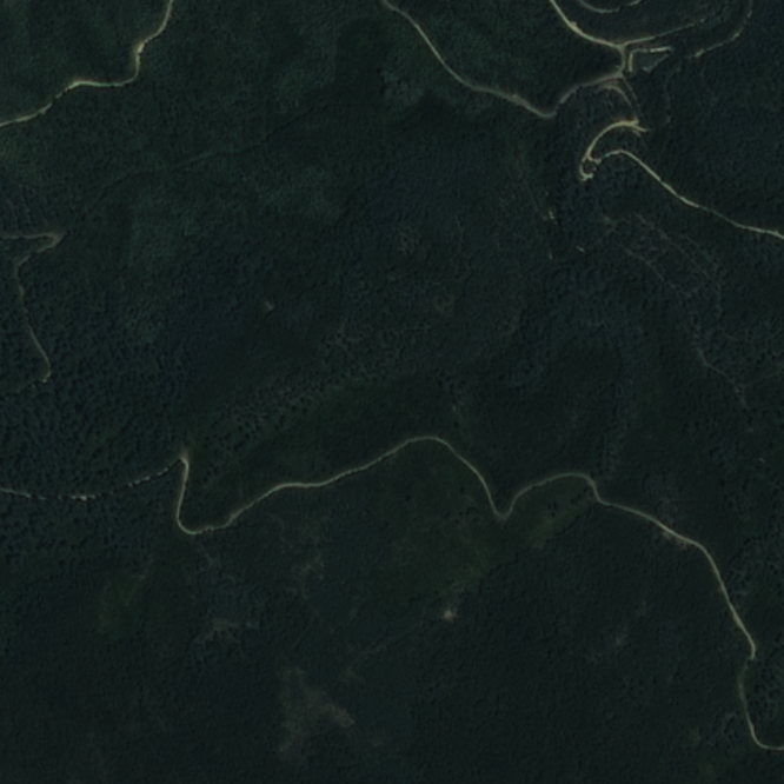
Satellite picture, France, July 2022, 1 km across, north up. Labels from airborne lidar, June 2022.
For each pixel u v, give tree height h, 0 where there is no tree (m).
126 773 9
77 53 12
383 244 9
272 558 6
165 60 8
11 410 23
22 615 13
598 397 7
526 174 8
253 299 10
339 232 11
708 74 11
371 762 7
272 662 14
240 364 14
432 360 19
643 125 10
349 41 9
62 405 25
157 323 12
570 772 10
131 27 7
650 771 11
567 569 9
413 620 7
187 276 15
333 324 9
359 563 7
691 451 6
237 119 8
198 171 12
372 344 11
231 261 9
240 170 9
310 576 6
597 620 11
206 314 15
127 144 7
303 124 14
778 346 15
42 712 7
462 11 10
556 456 6
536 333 15
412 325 14
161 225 7
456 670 12
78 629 10
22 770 6
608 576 10
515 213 10
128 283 8
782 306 12
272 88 8
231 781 12
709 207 10
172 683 7
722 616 10
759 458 10
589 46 11
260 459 6
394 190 14
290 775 7
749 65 9
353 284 13
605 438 12
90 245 9
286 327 14
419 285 14
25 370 21
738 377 12
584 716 16
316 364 13
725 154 15
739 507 14
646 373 17
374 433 6
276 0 9
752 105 7
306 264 14
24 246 11
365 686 6
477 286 14
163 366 18
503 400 6
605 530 11
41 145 9
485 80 9
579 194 16
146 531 18
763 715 17
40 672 12
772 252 18
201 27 9
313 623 7
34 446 19
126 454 7
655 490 12
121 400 21
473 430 6
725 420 7
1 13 9
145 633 8
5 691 9
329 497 6
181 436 10
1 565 7
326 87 13
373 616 9
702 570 9
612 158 7
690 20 8
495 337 13
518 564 11
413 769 7
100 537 16
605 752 11
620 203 12
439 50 7
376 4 7
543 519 0
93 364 18
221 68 7
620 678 13
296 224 13
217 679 10
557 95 8
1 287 17
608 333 16
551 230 13
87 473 19
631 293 8
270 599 11
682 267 8
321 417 6
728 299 12
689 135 10
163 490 10
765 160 14
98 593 7
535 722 10
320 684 7
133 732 7
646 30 8
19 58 10
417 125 9
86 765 5
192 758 12
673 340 9
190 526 7
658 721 13
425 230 11
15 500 21
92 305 8
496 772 11
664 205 17
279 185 8
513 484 5
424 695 8
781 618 8
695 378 11
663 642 15
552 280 9
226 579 7
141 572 13
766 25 9
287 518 7
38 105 9
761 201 17
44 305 21
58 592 12
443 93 13
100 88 7
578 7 12
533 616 13
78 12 7
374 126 12
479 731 13
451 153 16
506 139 8
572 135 6
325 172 7
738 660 10
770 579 8
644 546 11
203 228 12
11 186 18
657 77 9
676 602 13
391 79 33
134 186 8
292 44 11
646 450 6
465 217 11
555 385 6
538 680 9
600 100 14
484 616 7
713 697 11
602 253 13
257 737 11
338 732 7
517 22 9
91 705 8
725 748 17
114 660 10
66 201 8
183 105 6
